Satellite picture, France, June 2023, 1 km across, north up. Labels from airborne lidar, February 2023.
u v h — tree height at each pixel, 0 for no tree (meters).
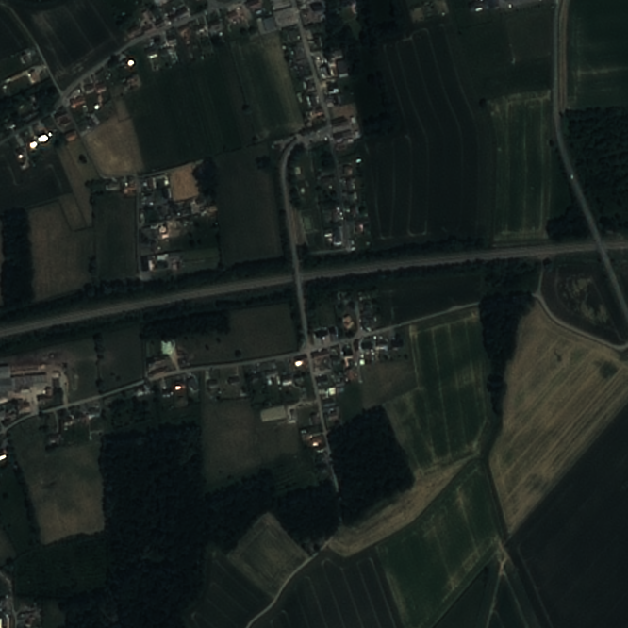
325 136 0
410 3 0
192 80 0
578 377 0
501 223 0
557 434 0
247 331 0
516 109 0
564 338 0
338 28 11
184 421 0
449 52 0
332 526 17
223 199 0
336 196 9
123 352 0
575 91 0
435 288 0
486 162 0
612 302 0
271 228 0
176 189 0
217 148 0
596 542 0
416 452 0
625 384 0
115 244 0
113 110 0
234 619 0
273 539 0
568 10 0
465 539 0
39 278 0
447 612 0
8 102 12
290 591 0
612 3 0
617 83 0
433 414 0
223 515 20
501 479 0
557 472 0
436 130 0
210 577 0
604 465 0
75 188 0
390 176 0
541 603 0
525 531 0
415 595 0
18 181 0
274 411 0
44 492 0
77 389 0
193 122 0
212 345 0
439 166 0
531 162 0
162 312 9
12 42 0
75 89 0
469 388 0
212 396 0
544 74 0
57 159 0
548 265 12
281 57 0
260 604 0
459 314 0
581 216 16
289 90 0
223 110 0
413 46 0
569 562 0
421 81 0
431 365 0
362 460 20
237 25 0
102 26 0
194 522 23
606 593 0
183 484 23
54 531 0
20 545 0
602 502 0
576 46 0
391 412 0
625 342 0
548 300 0
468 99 0
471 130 0
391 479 19
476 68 0
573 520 0
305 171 0
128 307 0
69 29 0
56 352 0
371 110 0
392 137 0
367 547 0
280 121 0
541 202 0
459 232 0
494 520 0
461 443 0
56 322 0
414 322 0
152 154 0
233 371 0
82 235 0
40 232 0
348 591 0
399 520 0
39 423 0
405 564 0
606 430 0
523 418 0
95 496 0
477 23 0
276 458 0
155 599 24
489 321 22
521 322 0
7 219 14
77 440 0
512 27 0
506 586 0
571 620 0
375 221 0
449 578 0
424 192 0
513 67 0
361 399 0
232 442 0
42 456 0
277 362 0
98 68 0
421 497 0
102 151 0
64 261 0
